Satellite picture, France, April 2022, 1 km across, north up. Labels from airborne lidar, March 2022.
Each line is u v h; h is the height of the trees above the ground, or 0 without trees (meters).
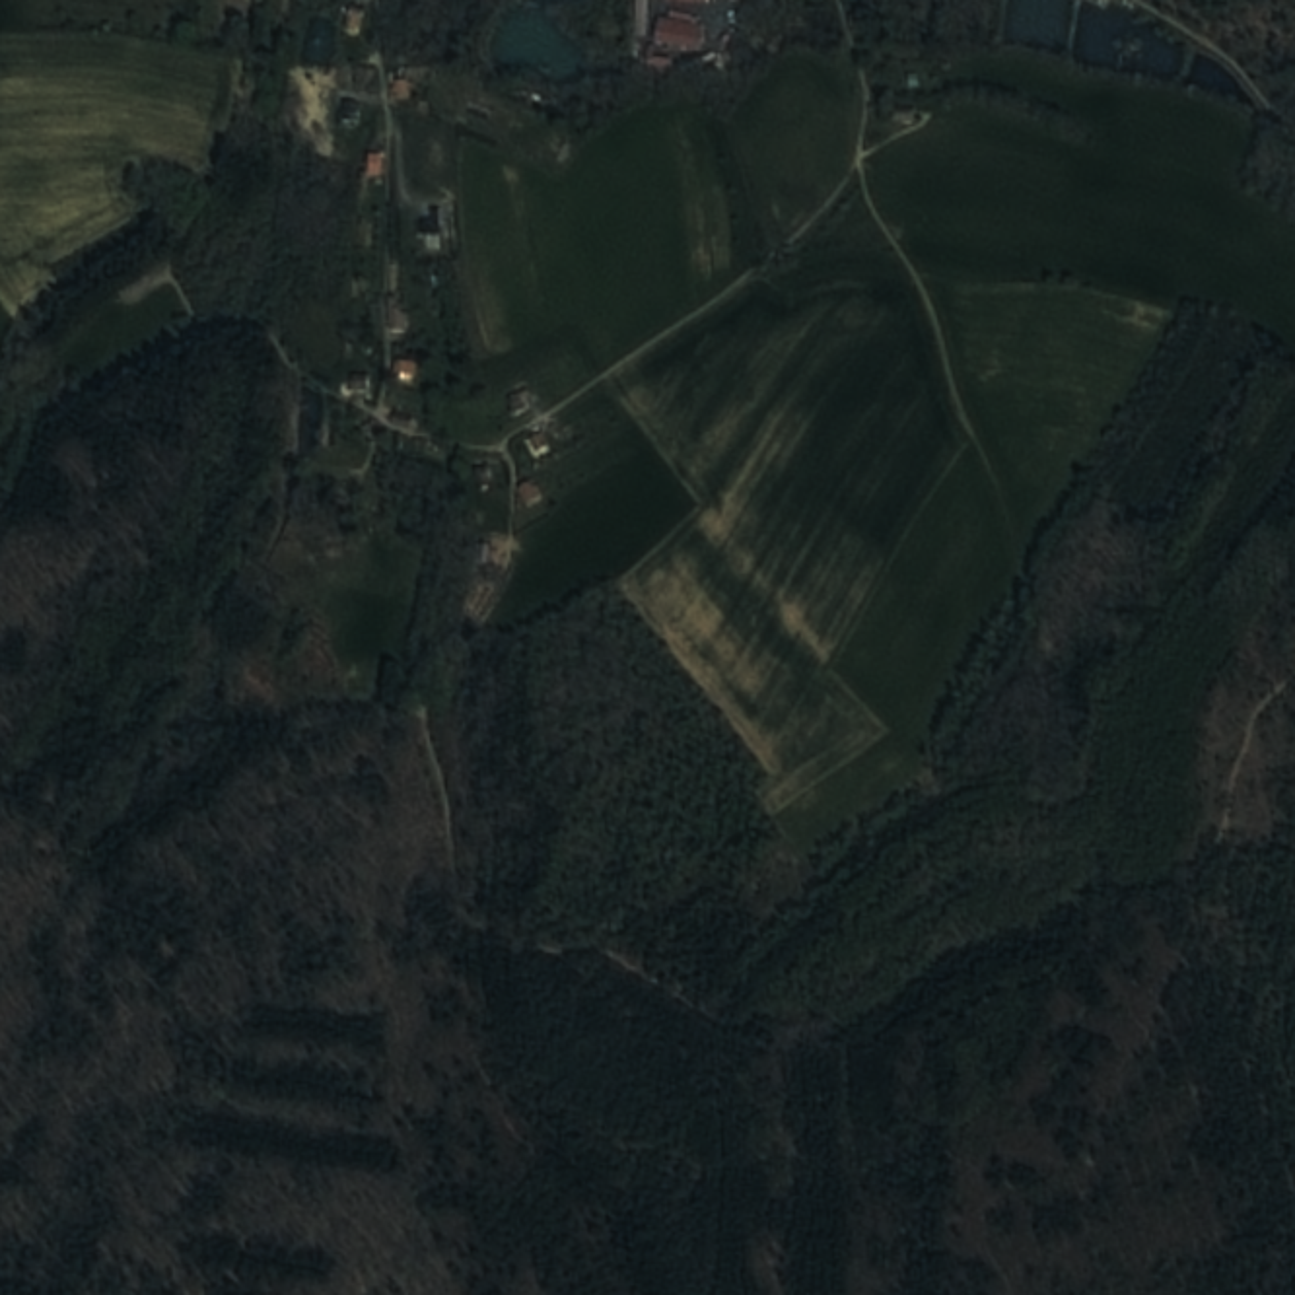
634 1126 9
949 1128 12
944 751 15
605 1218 14
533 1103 10
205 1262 15
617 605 19
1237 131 0
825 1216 17
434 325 0
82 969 23
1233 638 10
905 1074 14
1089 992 16
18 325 11
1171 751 14
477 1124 15
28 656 18
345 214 13
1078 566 26
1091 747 30
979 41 21
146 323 0
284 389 18
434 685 25
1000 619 11
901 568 0
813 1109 15
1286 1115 14
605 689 20
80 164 0
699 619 0
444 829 8
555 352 0
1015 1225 14
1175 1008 16
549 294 0
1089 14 0
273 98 17
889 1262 15
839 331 0
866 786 0
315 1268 19
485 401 14
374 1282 21
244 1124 17
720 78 19
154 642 13
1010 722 28
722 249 0
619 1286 11
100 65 0
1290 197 18
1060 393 0
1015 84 0
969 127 0
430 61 15
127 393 21
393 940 17
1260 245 0
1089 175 0
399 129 0
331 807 19
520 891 11
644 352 0
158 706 21
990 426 0
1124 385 0
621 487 0
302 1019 20
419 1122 15
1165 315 0
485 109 0
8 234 0
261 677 7
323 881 21
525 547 0
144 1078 25
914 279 0
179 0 0
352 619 0
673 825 13
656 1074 13
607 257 0
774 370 0
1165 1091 10
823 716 0
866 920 17
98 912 20
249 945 21
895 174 0
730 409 0
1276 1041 13
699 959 10
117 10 0
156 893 14
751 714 0
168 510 23
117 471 16
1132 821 10
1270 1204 15
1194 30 25
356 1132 20
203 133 0
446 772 9
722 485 0
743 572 0
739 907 6
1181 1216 9
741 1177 18
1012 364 0
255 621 28
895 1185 24
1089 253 0
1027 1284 8
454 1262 18
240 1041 22
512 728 19
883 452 0
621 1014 11
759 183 0
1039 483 0
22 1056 19
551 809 11
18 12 0
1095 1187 9
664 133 0
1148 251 0
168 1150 19
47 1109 19
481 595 0
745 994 17
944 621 0
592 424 0
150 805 19
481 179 0
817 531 0
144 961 18
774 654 0
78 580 21
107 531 21
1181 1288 9
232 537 26
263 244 11
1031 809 12
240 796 22
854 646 0
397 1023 10
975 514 0
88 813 18
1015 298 0
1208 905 13
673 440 0
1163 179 0
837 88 0
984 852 16
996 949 13
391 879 14
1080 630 28
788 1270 13
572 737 11
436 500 17
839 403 0
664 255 0
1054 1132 10
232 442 22
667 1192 9
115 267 24
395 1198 22
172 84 0
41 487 21
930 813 10
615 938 11
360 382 0
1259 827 0
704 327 0
